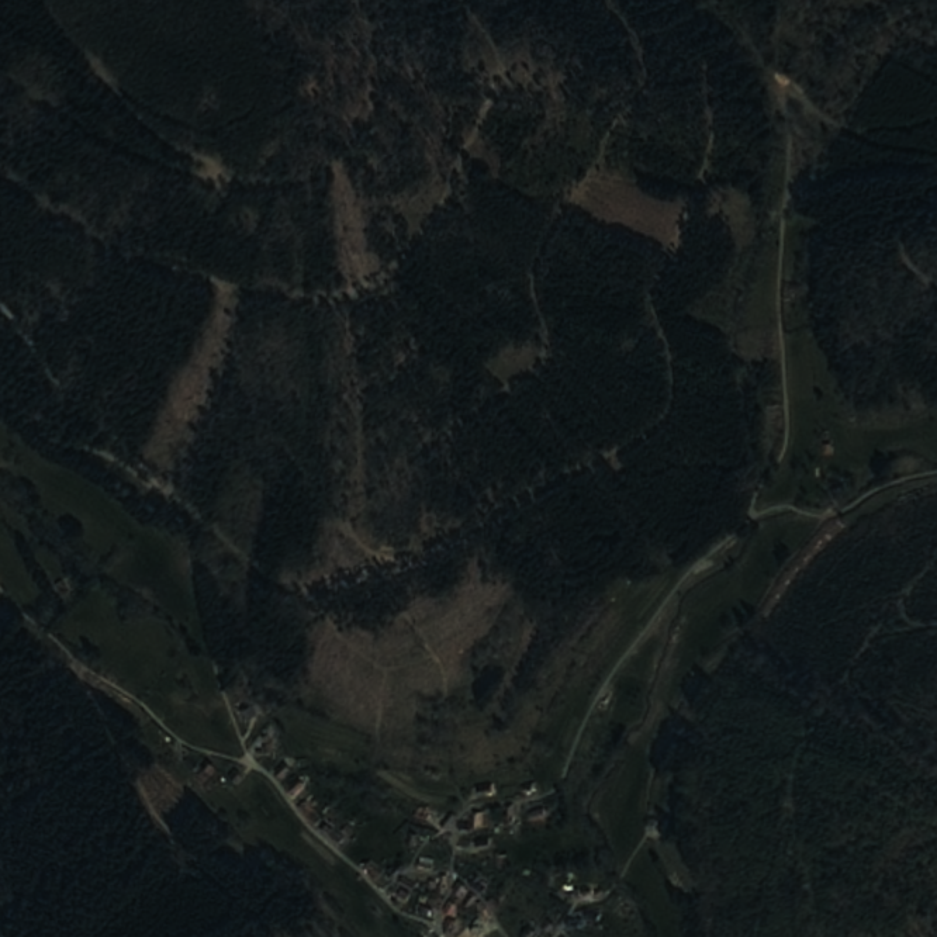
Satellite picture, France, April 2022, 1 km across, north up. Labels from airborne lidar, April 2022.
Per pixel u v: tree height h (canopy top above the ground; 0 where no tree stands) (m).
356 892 0
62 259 24
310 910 31
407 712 0
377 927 0
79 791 31
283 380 19
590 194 0
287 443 21
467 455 23
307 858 0
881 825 8
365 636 0
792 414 0
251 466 23
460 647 0
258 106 18
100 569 10
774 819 9
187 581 0
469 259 26
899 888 9
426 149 30
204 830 28
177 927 16
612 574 28
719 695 8
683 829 22
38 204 21
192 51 19
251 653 29
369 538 0
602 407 15
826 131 17
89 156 19
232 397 28
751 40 13
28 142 22
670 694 0
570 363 15
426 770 7
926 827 9
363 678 0
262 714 0
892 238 25
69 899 34
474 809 0
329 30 31
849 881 9
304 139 23
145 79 17
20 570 0
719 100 29
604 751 8
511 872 17
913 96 13
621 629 0
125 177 21
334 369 23
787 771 8
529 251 25
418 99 29
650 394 16
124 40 18
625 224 0
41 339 21
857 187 32
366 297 27
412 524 28
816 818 10
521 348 16
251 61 21
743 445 20
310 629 17
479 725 0
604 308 19
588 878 0
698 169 8
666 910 0
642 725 0
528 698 18
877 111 13
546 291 20
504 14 36
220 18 17
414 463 24
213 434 28
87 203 17
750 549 0
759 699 10
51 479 0
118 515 0
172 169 25
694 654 0
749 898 10
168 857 12
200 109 17
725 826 11
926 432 0
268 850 21
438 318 23
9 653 34
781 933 13
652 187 27
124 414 29
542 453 26
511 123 7
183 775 0
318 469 18
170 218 28
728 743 13
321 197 15
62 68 21
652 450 16
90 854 31
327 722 19
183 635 14
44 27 30
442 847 0
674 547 16
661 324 17
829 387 0
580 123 7
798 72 16
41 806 30
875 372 28
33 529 20
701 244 28
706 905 8
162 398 24
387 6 33
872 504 0
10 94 28
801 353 0
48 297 20
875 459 0
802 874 9
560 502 27
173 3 19
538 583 30
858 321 17
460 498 31
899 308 17
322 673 0
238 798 0
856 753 9
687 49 32
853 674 8
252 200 19
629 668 0
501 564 31
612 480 26
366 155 25
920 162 14
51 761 31
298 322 18
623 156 11
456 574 27
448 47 39
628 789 0
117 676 0
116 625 0
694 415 18
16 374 33
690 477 19
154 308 24
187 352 22
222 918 14
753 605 0
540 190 6
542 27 35
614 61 31
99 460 5
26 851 30
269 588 27
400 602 32
